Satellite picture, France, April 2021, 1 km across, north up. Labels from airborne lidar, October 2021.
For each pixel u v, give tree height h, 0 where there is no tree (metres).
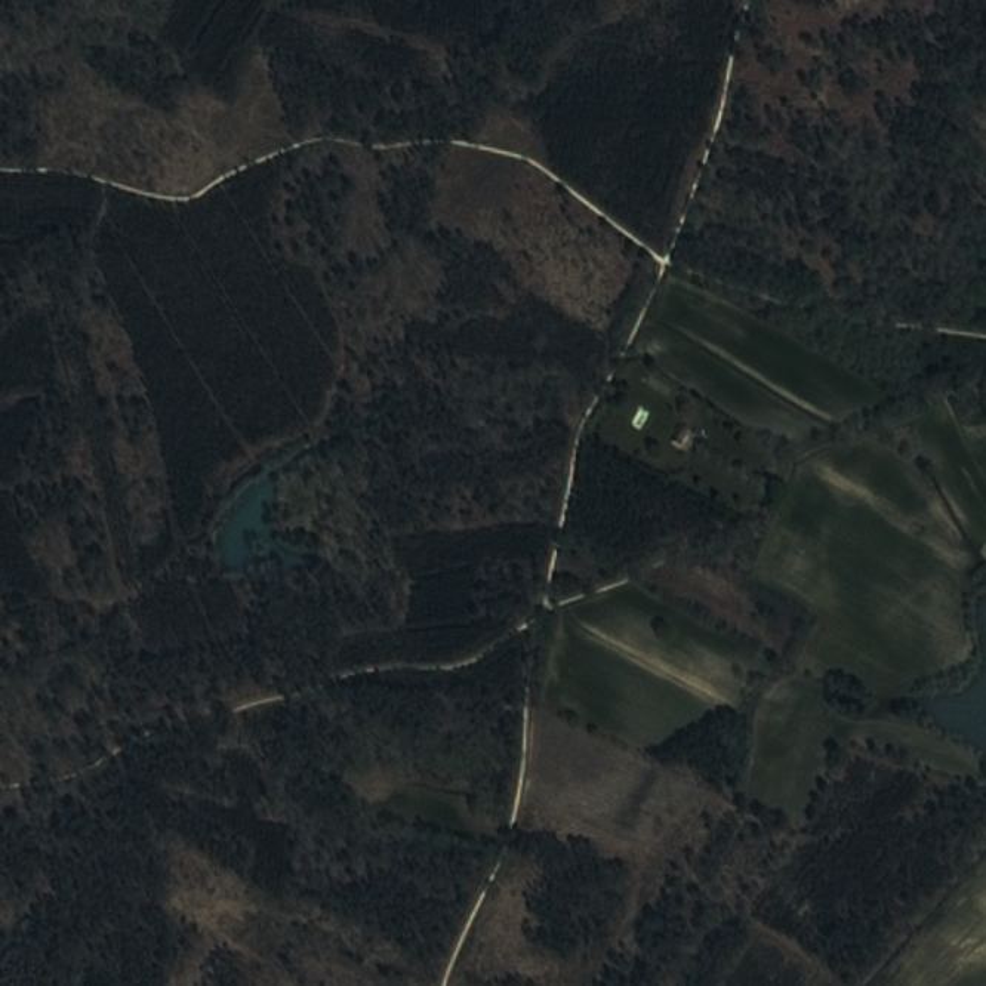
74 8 17
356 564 19
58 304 13
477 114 23
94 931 19
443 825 0
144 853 23
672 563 13
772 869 12
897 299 19
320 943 8
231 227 14
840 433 20
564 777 0
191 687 8
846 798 6
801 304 22
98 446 11
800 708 0
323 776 19
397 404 26
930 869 13
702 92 11
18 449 11
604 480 15
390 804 0
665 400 0
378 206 8
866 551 0
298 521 12
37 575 9
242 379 14
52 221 12
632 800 0
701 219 15
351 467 16
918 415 19
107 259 12
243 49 13
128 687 19
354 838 23
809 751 0
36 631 20
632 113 11
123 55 14
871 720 0
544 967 0
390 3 12
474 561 12
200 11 13
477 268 23
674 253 9
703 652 0
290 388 13
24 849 24
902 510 0
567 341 11
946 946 0
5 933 10
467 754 22
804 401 0
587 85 11
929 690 16
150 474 8
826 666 0
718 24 11
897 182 13
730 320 0
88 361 8
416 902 21
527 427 18
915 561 0
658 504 17
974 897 0
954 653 0
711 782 17
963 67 19
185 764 23
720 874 10
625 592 0
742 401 0
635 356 11
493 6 8
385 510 23
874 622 0
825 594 0
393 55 11
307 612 20
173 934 18
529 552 12
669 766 22
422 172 8
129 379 14
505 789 25
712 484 0
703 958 6
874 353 14
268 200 13
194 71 12
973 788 12
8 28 22
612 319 12
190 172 0
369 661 8
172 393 13
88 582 20
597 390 14
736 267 26
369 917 24
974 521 0
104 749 14
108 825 24
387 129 20
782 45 13
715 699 0
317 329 13
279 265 10
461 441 21
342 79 21
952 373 13
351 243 14
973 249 19
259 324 14
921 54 24
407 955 24
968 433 0
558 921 23
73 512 25
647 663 0
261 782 8
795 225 24
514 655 11
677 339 0
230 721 24
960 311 10
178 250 15
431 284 13
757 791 0
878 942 22
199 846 21
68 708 20
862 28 10
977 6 20
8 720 16
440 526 19
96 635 17
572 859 25
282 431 9
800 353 0
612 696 0
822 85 21
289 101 26
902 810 14
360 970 22
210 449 13
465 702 21
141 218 12
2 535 10
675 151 10
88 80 13
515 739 24
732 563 17
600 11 24
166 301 14
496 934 0
